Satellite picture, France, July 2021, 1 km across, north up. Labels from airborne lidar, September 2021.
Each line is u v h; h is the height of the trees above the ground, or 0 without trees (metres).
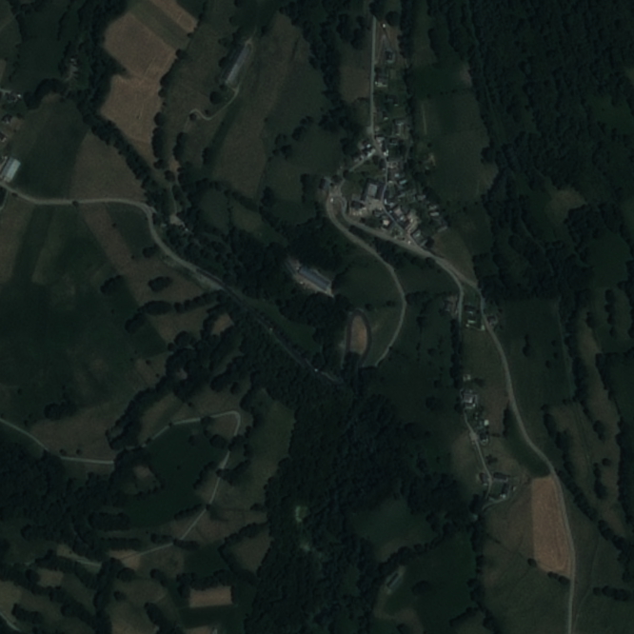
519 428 0
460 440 0
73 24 0
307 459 15
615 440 0
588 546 0
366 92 0
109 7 10
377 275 0
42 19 0
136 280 0
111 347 0
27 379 0
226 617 0
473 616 15
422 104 0
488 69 14
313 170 0
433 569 0
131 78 0
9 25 0
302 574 25
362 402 6
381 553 0
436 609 0
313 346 0
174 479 0
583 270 9
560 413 0
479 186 0
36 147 0
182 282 0
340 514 12
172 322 0
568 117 5
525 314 0
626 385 0
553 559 0
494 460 7
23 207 0
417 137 9
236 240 25
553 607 0
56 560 24
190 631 0
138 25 0
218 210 0
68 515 21
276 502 18
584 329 0
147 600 0
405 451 21
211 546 0
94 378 0
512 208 19
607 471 0
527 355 14
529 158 18
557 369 0
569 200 0
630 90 20
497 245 10
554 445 0
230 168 0
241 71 0
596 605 0
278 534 15
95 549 20
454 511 35
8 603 0
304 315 23
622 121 0
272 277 21
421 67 0
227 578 20
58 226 0
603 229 21
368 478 15
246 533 20
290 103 0
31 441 0
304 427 14
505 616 0
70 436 0
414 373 0
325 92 0
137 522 0
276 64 0
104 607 17
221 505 0
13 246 0
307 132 12
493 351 0
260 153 0
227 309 16
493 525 0
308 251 19
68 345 0
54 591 21
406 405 0
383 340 0
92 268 0
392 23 19
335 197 0
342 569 18
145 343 0
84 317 0
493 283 12
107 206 0
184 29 0
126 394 0
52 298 0
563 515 0
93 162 0
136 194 0
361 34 14
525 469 0
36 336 0
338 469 26
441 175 0
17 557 0
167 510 0
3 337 0
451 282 0
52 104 0
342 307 21
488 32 21
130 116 0
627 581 9
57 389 0
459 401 11
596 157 14
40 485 6
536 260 23
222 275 8
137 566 0
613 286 0
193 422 0
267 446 0
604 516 0
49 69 0
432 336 0
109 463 0
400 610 0
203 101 0
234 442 14
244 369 22
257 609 14
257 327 16
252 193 0
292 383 20
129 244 0
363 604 14
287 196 0
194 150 0
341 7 9
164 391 17
